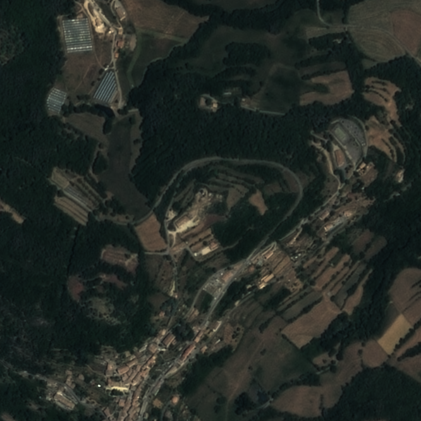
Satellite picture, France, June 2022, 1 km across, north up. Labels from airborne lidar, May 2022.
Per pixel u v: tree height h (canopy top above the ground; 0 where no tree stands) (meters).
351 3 24
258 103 0
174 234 0
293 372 0
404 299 0
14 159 15
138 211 0
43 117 21
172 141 14
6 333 17
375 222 11
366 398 11
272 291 0
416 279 0
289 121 12
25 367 7
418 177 12
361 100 9
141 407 6
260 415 14
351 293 13
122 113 15
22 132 26
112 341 9
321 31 0
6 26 16
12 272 10
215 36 0
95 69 0
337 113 13
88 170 19
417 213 9
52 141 14
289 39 0
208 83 19
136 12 0
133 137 0
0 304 6
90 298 8
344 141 0
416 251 19
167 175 12
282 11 18
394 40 0
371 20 0
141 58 0
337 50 16
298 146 15
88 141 17
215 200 0
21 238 24
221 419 0
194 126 13
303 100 0
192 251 0
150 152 12
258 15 18
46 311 7
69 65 0
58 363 7
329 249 8
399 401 12
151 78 26
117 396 21
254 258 0
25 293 11
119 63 0
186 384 8
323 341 19
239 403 22
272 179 7
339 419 20
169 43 0
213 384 0
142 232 0
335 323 16
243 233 6
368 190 12
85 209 0
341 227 0
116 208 10
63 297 13
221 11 19
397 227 9
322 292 0
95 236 22
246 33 0
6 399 12
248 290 7
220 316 9
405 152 9
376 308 13
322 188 11
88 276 19
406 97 8
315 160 10
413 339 0
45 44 21
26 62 17
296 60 0
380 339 0
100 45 0
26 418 12
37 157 23
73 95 0
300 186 0
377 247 0
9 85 26
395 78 15
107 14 0
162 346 9
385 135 0
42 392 8
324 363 9
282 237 13
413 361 0
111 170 0
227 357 7
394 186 9
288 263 0
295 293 0
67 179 0
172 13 0
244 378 0
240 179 6
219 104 10
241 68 11
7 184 19
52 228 21
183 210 9
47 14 13
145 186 15
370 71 8
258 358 0
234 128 19
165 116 16
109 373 0
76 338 21
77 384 7
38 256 19
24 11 15
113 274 14
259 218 7
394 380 10
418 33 0
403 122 14
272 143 12
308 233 12
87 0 0
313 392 0
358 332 11
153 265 0
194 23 0
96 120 0
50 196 14
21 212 18
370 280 9
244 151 18
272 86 0
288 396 0
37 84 21
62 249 18
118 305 15
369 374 10
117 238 17
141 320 12
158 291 7
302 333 0
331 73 8
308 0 19
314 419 8
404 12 0
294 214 8
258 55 16
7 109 25
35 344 11
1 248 11
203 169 8
